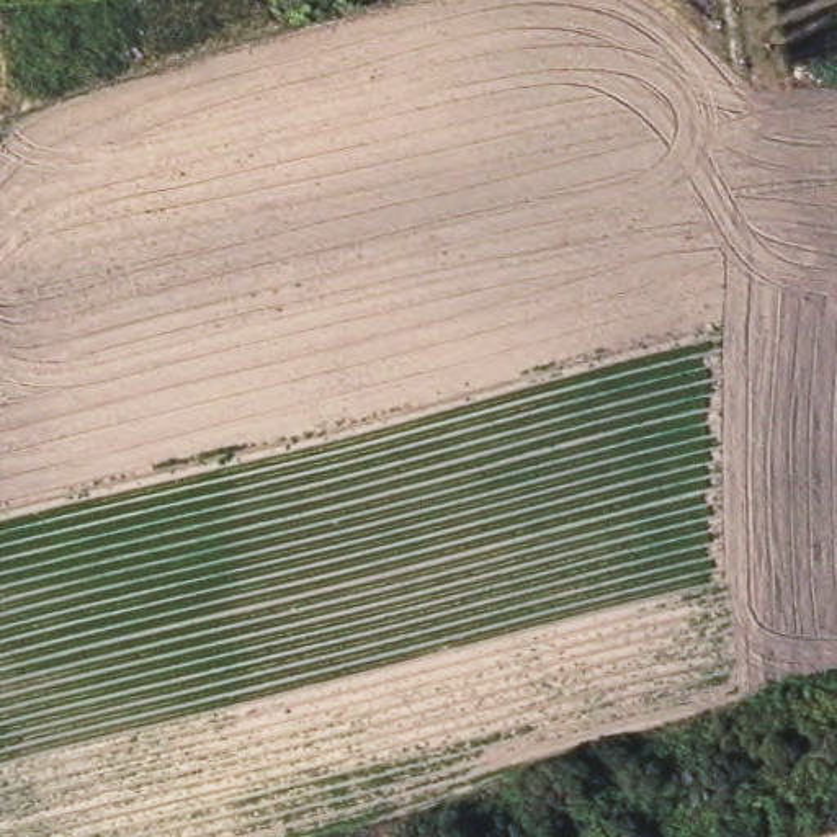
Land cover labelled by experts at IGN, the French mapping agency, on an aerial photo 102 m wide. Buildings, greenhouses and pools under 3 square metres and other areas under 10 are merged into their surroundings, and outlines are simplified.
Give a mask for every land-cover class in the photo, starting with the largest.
<instances>
[{"label":"agricultural land","instance_id":"1","mask_svg":"<svg viewBox=\"0 0 837 837\"><path fill-rule=\"evenodd\" d=\"M837 667V88H827L749 92L742 75L723 65L719 56L703 43L700 29L690 20V7L677 0H405L399 7H369L353 20H327L301 33H288L271 43L239 46L232 52L199 59L180 72L118 82L88 95L52 101L43 114L13 124L10 134L0 141V837H311V830L330 821L360 817L363 811L379 804H392L399 817H405L435 808L438 801H458L474 791L471 778L484 772L566 752L585 742L608 736L644 732L664 723L690 719L706 709L742 703L745 696L759 693L768 680Z\"/></svg>","mask_w":837,"mask_h":837},{"label":"herbaceous vegetation","instance_id":"2","mask_svg":"<svg viewBox=\"0 0 837 837\"><path fill-rule=\"evenodd\" d=\"M288 33L281 29V20L271 13L268 0H0V141L10 134L13 124L43 114L52 101L88 95L118 82L180 72L199 59L232 52L239 46L271 43ZM837 3V0H775L781 26ZM660 755H677L680 762V772L667 785L657 781V772L651 765H638L628 752H618L608 736L585 742L615 778V785L605 788L598 798H582L575 785L582 772L572 765L566 752L484 772L471 778L474 791L487 801V808L510 804L517 821L510 824L507 837H634L631 830H624V824L631 821V814H634V811H644L647 817H654L664 837H837V667L768 680L759 693L745 696L742 703L706 709L690 719L664 723L644 732ZM405 830V817H399L392 804H379L363 811L360 817L330 821L311 830V837H399Z\"/></svg>","mask_w":837,"mask_h":837},{"label":"brushwood","instance_id":"3","mask_svg":"<svg viewBox=\"0 0 837 837\"><path fill-rule=\"evenodd\" d=\"M405 0H268L271 13L281 20V29L288 33H301L327 20H353L369 7H399ZM785 62L811 69L827 88H837V3L781 26ZM618 752H628L638 765H651L657 772V781L667 785L680 772V762L677 755H660L644 732L608 736ZM572 765L582 772L575 785L582 798H598L605 788L615 785V778L585 742L566 752ZM517 821L510 804L487 808V801L474 791L458 801H438L435 808L405 817V830L399 837H507L510 824ZM624 830H631L634 837H664L654 817H647L644 811H634V814H631V821L624 824Z\"/></svg>","mask_w":837,"mask_h":837},{"label":"pervious surface","instance_id":"4","mask_svg":"<svg viewBox=\"0 0 837 837\"><path fill-rule=\"evenodd\" d=\"M690 7V20L700 29L703 43L719 56L723 65L742 75L749 92L827 88L811 69L785 62L781 26L775 0H677Z\"/></svg>","mask_w":837,"mask_h":837}]
</instances>
